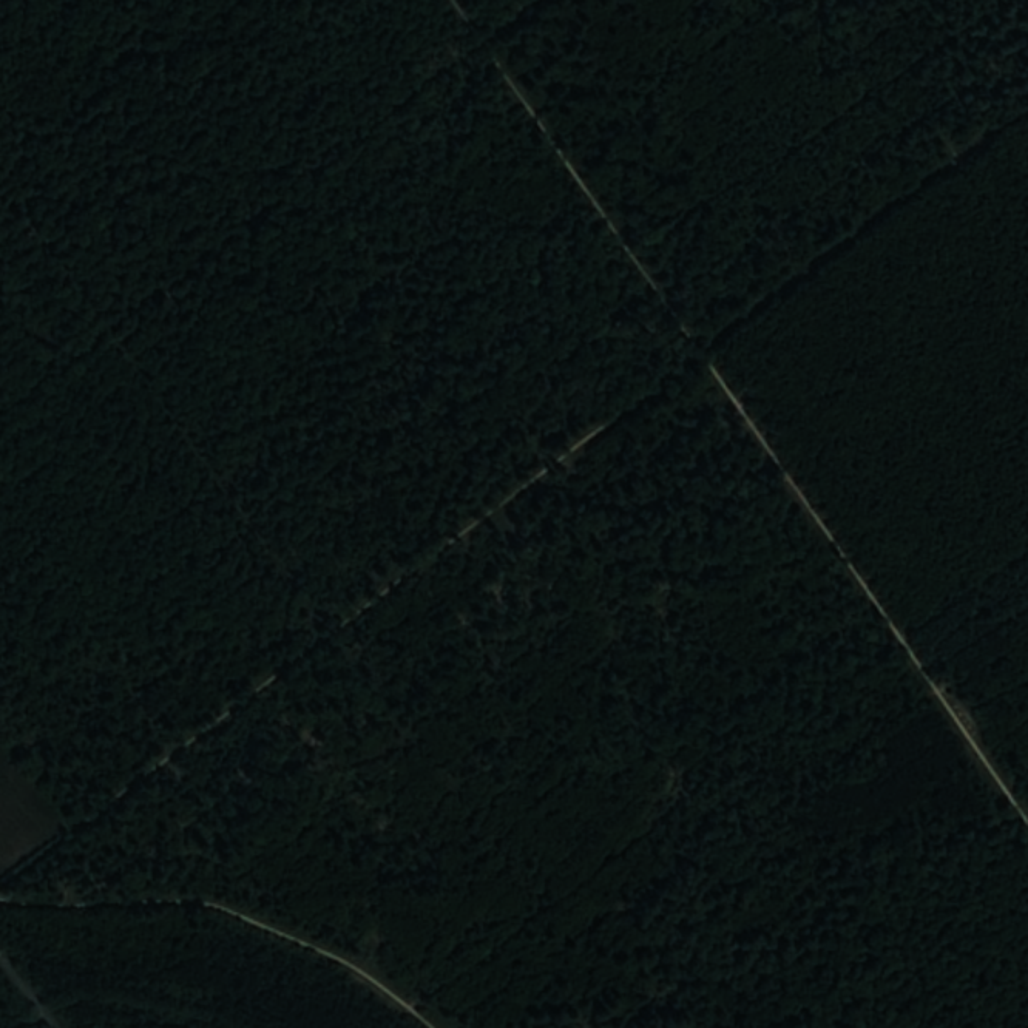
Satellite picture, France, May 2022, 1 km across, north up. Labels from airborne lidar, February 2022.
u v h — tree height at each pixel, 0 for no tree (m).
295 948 10
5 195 15
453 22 27
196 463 27
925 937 29
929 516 16
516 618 29
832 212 10
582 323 30
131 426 26
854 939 28
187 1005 12
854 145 12
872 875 31
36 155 27
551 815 14
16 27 24
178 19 29
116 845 12
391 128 27
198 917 12
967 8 14
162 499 30
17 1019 9
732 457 32
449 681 22
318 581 23
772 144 20
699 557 35
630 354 28
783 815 17
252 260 27
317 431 19
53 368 24
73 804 20
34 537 25
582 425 31
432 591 11
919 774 14
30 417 28
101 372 27
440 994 7
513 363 30
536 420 22
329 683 29
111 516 27
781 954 33
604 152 27
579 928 6
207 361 27
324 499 27
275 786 30
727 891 26
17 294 26
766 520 33
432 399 33
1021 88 31
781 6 13
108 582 27
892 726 13
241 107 26
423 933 9
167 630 28
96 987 15
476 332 30
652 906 35
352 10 28
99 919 12
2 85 24
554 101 27
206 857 34
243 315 28
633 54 15
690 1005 30
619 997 27
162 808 14
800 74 15
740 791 29
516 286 28
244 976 12
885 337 21
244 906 13
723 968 35
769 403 15
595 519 37
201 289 27
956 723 0
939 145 28
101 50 22
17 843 0
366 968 0
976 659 15
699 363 27
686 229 18
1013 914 29
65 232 29
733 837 30
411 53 24
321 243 27
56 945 15
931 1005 28
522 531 34
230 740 6
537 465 18
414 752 11
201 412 28
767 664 9
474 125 28
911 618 14
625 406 23
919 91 13
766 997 31
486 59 25
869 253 18
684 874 34
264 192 27
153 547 26
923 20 13
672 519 37
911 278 21
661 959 28
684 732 27
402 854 27
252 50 26
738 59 17
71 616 27
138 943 13
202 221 26
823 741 29
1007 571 18
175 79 23
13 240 29
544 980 13
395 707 26
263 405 30
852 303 17
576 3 23
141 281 29
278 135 27
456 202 21
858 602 12
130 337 27
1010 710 18
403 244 25
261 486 26
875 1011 29
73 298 28
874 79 12
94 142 29
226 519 27
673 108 12
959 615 19
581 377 31
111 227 31
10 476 29
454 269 27
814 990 29
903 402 16
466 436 33
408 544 29
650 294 29
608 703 26
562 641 17
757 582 31
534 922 11
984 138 0
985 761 0
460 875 14
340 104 27
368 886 10
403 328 20
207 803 13
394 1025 9
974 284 19
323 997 12
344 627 22
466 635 9
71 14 26
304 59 28
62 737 12
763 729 25
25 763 27
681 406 9
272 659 17
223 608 29
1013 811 24
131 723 13
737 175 15
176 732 12
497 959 11
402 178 22
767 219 31
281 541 27
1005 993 28
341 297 18
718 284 26
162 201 32
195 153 28
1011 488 19
